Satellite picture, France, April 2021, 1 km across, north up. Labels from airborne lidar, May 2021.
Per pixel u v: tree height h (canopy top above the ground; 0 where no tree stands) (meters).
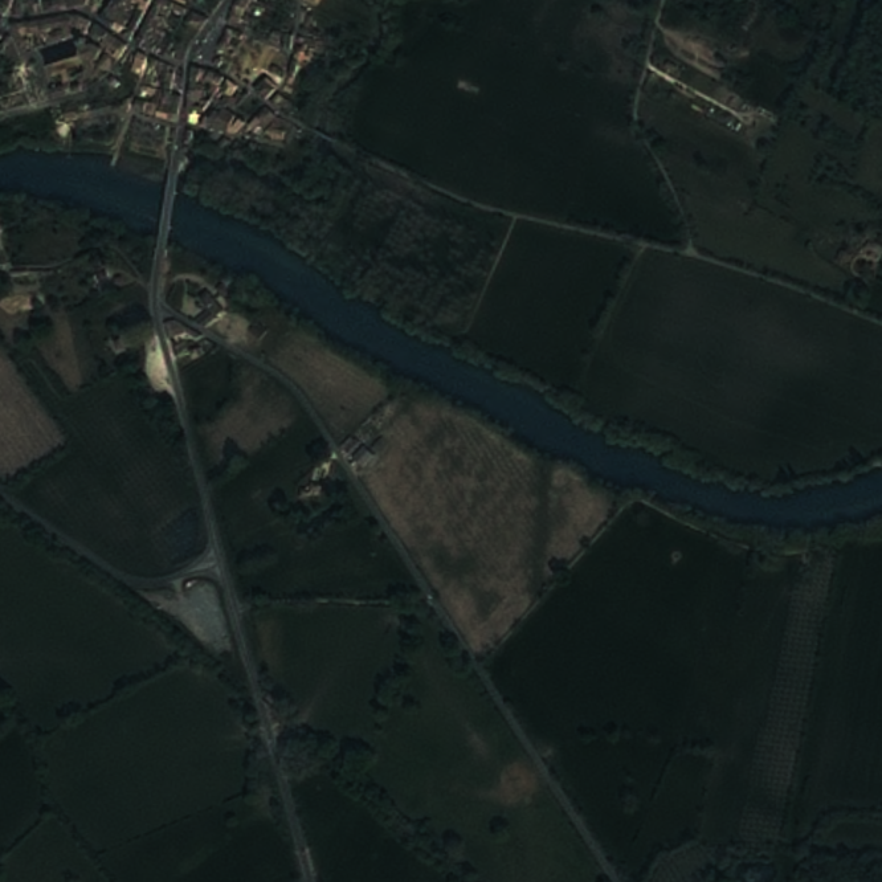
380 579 0
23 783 0
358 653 0
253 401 0
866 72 16
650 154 10
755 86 0
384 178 0
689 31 0
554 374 0
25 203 11
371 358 19
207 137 12
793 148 0
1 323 0
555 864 0
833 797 0
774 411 0
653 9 17
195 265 0
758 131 0
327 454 20
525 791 0
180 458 20
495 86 0
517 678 0
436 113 0
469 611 0
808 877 16
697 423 0
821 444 0
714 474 10
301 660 0
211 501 0
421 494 0
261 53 8
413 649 25
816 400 0
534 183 0
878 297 0
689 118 0
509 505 0
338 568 0
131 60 0
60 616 0
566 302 0
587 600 0
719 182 0
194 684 0
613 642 0
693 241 9
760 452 0
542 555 0
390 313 14
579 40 0
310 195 20
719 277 0
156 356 0
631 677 0
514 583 0
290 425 0
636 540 0
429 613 12
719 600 0
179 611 0
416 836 10
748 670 0
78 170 0
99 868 9
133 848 0
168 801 0
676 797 0
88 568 14
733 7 7
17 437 0
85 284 10
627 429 15
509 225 0
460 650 24
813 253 0
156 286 0
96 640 0
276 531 0
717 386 0
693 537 0
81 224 11
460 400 11
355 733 0
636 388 0
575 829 8
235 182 28
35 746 15
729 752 0
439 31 0
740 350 0
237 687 13
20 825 0
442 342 9
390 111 0
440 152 0
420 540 0
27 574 0
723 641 0
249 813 0
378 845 0
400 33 16
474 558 0
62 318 0
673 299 0
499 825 15
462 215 0
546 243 0
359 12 0
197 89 0
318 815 0
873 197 7
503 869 0
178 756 0
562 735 0
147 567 0
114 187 0
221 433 0
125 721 0
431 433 0
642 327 0
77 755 0
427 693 0
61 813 8
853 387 0
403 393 7
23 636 0
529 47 0
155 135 8
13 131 13
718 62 0
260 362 0
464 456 0
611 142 0
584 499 0
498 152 0
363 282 25
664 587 0
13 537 0
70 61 0
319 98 18
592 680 0
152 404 29
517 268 0
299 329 11
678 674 0
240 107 7
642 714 0
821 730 0
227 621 0
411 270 27
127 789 0
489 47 0
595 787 0
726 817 0
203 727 0
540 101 0
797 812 0
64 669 0
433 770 0
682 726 0
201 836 0
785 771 22
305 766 24
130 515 11
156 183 0
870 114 22
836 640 0
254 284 16
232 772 0
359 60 9
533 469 0
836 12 10
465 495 0
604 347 0
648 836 0
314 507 13
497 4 0
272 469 0
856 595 0
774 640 0
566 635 0
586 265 0
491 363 10
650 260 0
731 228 0
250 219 14
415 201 24
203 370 0
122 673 0
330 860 0
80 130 12
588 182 0
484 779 0
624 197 0
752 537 8
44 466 6
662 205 0
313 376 0
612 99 0
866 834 0
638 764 0
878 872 19
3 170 0
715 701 0
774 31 0
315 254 21
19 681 0
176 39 7
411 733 0
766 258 0
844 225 10
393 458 0
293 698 16
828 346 0
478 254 21
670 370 0
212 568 0
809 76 13
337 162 23
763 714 0
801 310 0
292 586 0
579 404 10
